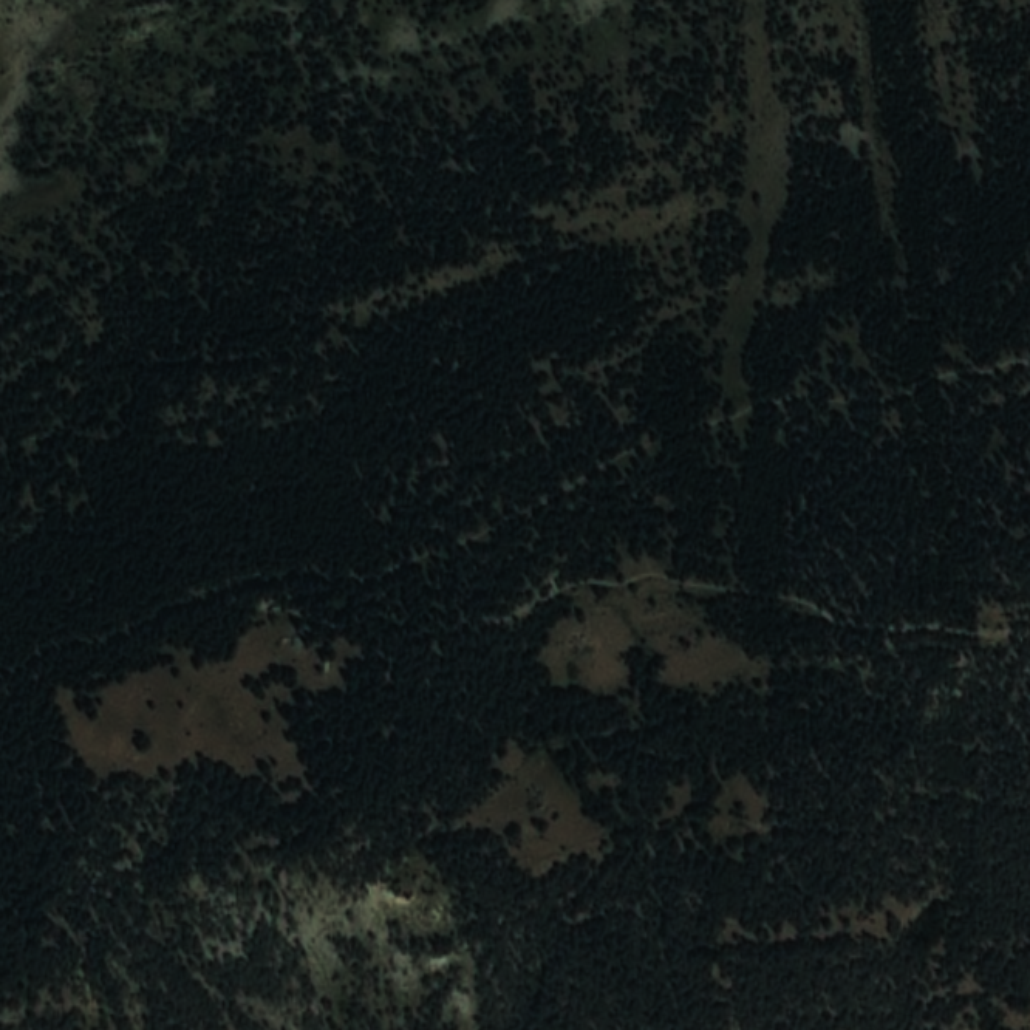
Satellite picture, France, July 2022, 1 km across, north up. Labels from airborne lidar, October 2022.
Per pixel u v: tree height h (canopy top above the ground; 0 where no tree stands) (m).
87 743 0
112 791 17
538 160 18
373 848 12
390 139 17
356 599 21
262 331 20
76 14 0
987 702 14
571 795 0
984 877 14
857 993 12
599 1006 20
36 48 0
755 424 16
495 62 12
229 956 7
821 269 10
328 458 18
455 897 7
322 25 11
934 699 6
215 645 19
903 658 20
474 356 22
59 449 11
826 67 9
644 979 20
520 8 0
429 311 20
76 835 13
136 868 9
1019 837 15
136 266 10
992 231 15
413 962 6
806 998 12
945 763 12
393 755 24
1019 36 11
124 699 0
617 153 9
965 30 8
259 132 12
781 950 18
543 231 12
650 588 0
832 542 27
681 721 24
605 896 21
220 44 9
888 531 29
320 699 14
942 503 13
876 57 11
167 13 6
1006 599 15
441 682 21
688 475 14
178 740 0
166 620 25
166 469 25
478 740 20
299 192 12
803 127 10
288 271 15
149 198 14
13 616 23
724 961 11
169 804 8
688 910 21
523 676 22
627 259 10
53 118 9
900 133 13
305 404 15
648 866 19
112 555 23
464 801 15
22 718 24
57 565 20
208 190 9
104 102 12
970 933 7
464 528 25
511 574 17
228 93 7
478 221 20
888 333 14
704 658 0
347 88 11
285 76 10
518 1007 10
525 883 14
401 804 15
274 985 9
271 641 0
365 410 20
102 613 21
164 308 13
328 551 22
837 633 17
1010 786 18
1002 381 12
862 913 6
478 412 25
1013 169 12
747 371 12
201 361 14
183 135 9
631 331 12
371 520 24
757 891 25
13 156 8
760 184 0
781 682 20
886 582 22
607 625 0
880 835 17
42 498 15
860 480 24
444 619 24
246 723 0
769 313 12
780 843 14
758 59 0
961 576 8
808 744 16
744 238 8
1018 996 11
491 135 13
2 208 0
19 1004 11
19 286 12
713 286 9
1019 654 19
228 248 13
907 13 12
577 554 13
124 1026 16
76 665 21
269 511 20
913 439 11
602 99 9
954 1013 9
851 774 19
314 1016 12
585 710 16
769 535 16
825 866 17
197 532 25
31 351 7
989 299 16
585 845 0
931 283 15
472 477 21
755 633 15
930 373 10
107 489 19
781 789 20
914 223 12
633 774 18
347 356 17
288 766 0
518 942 15
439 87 10
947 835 18
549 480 21
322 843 19
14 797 25
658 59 11
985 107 12
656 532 25
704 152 6
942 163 22
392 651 25
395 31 0
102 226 10
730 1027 7
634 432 17
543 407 27
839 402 0
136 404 13
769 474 18
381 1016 15
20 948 16
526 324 23
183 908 12
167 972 18
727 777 21
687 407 14
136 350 12
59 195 0
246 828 10
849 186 10
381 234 15
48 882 14
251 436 19
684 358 12
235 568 26
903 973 13
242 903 6
